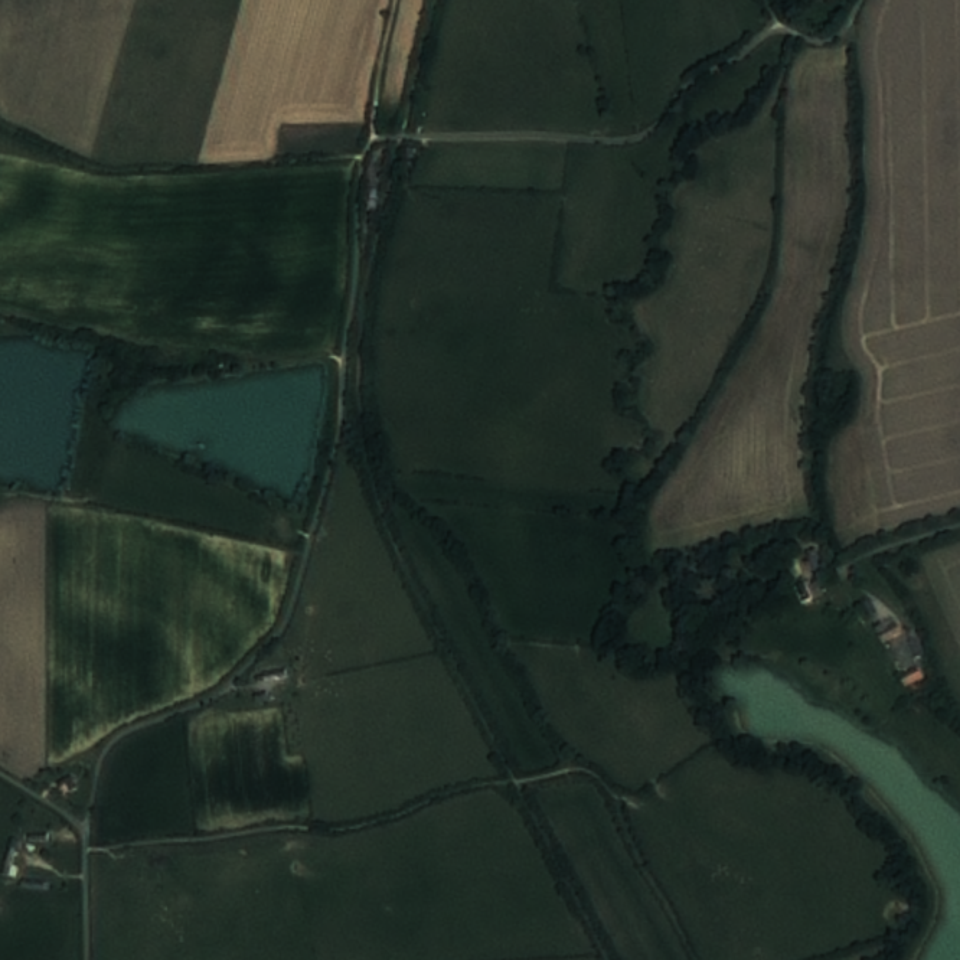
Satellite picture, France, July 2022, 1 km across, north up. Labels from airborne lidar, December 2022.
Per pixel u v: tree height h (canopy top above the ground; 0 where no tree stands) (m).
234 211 0
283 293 0
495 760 13
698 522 0
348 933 0
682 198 0
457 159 0
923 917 6
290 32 0
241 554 0
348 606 0
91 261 0
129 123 0
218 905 0
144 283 0
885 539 12
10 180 0
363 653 0
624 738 0
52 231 0
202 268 0
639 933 0
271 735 0
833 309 7
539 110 0
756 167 0
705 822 0
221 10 0
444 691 0
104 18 0
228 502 0
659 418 0
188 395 0
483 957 0
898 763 0
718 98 0
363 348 9
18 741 0
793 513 0
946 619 0
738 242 0
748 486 0
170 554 0
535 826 6
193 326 0
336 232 0
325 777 0
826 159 0
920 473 0
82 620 0
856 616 13
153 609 0
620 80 0
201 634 0
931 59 0
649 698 0
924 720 0
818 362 5
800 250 0
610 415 0
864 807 24
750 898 0
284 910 0
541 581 0
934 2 0
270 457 0
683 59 0
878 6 0
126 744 0
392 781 0
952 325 0
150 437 0
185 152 0
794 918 0
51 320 0
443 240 0
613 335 0
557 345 0
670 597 17
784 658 0
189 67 0
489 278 0
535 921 0
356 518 0
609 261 0
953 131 0
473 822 0
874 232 0
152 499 0
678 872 0
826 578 20
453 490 0
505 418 0
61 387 0
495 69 0
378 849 0
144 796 0
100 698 0
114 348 10
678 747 0
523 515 0
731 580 28
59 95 0
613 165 0
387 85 0
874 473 0
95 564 0
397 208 6
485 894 0
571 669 0
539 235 0
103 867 0
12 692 0
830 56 0
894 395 0
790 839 0
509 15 0
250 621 0
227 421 0
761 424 0
